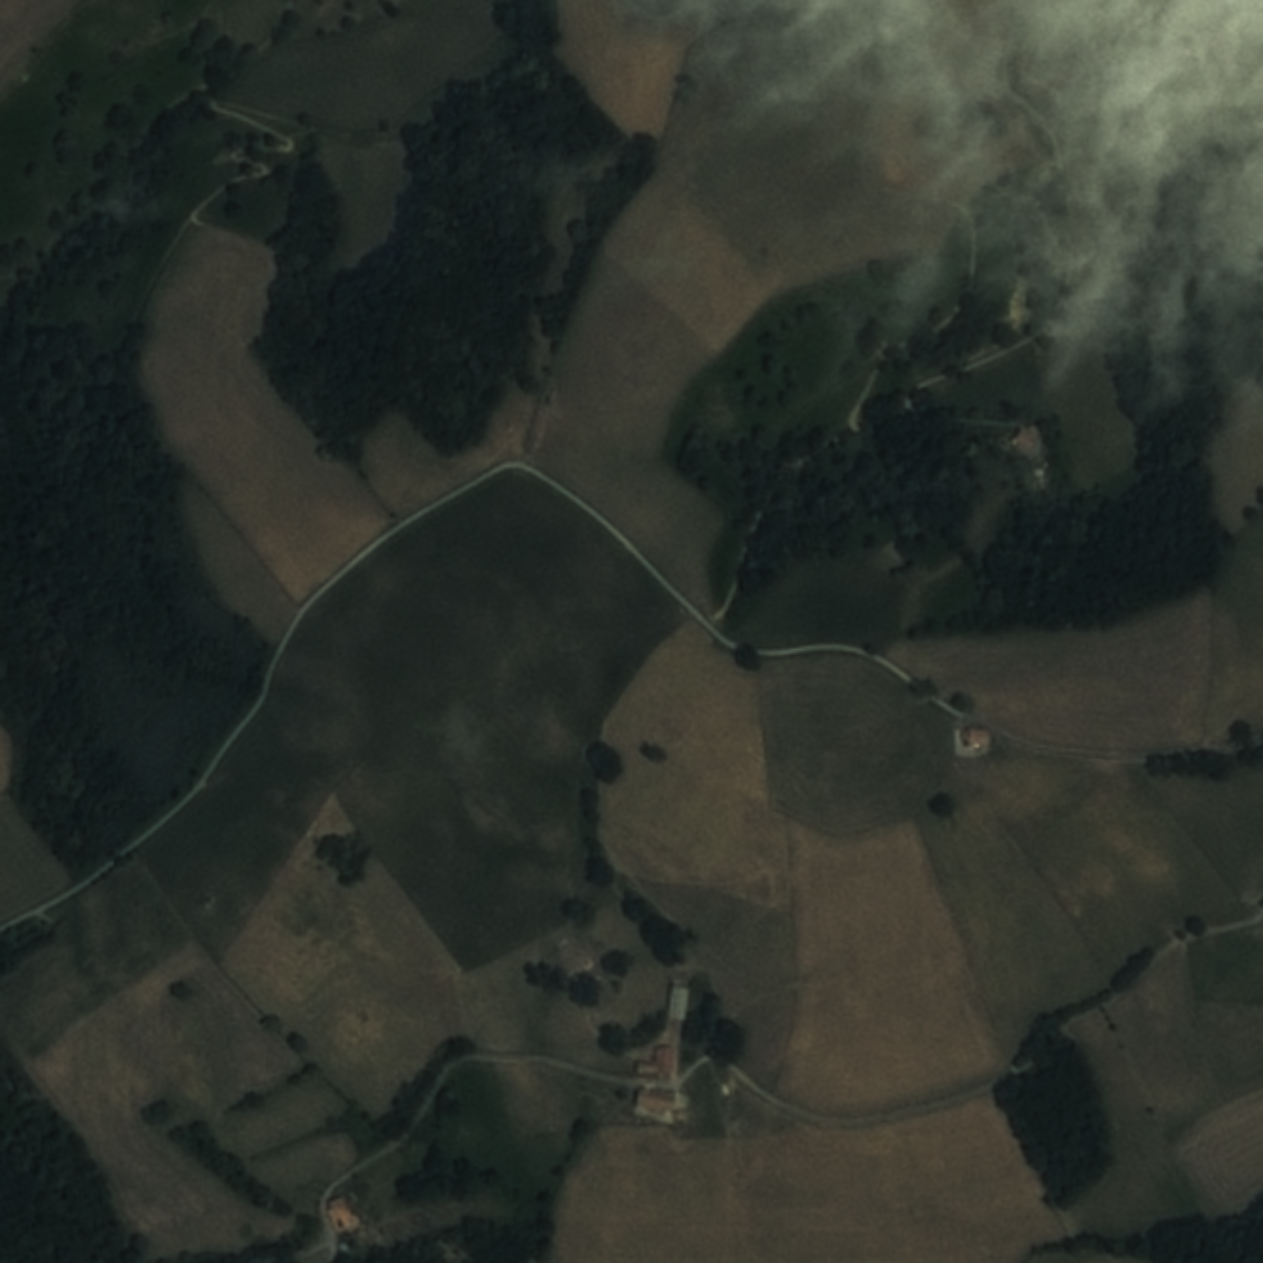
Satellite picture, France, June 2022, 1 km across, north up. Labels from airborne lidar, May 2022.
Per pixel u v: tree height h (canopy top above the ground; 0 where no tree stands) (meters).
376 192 0
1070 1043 9
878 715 0
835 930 0
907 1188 0
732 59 0
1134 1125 0
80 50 0
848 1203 0
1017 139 0
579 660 0
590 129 8
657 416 0
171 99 0
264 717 0
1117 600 19
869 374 0
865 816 0
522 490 0
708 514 0
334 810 0
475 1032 0
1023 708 0
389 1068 0
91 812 8
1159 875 0
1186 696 0
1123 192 0
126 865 7
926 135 0
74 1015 0
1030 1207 0
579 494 0
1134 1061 0
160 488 12
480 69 0
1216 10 0
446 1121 14
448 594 0
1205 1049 0
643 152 11
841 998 0
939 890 0
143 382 0
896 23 0
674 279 0
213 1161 11
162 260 0
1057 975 0
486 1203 0
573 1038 0
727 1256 0
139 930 0
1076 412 0
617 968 15
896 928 0
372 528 0
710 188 0
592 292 0
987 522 0
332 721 0
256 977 0
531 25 18
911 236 0
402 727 0
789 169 0
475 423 12
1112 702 0
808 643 0
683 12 0
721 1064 11
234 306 0
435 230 20
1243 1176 0
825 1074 0
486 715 0
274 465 0
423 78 0
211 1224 0
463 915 0
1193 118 9
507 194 8
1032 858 0
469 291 16
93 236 18
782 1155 0
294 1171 0
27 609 25
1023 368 0
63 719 20
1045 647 0
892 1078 0
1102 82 0
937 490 20
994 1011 0
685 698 0
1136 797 0
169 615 10
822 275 0
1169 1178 0
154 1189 0
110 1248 16
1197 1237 20
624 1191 0
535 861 0
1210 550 21
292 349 14
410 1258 10
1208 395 22
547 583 0
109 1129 0
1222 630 0
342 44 0
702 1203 0
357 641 0
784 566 9
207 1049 0
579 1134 12
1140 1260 10
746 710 0
